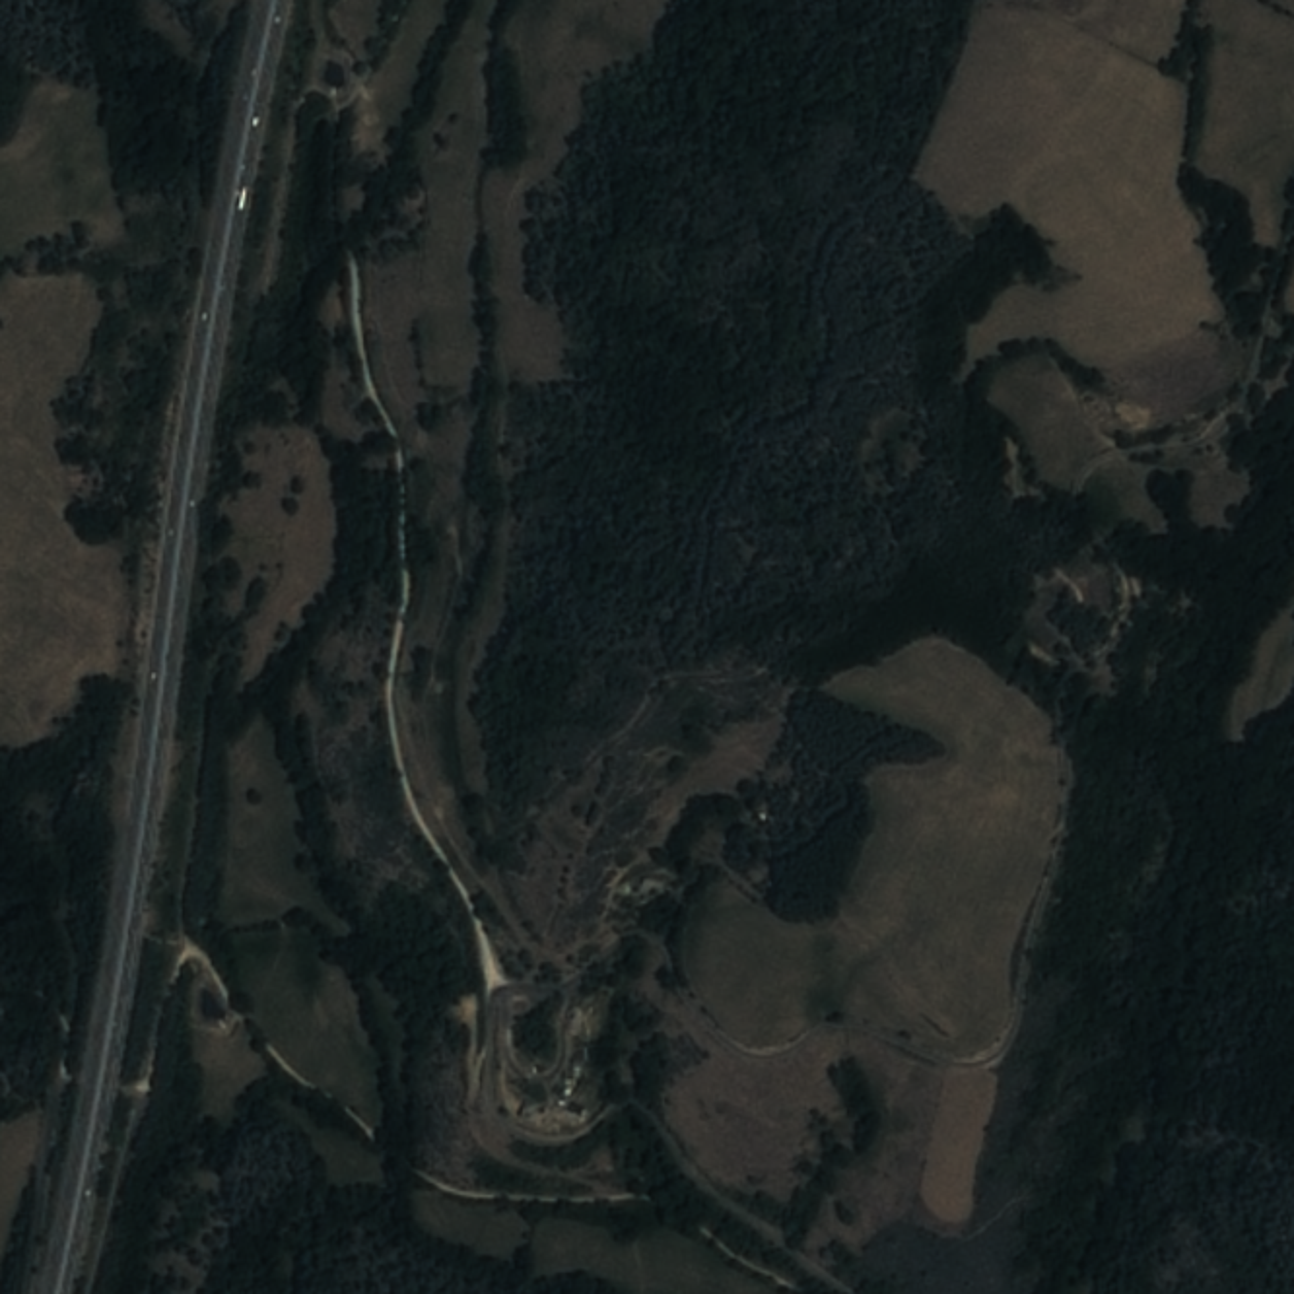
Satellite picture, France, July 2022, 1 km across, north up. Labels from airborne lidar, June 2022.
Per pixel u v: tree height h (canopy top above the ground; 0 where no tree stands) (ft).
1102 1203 34
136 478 34
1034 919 0
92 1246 0
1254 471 51
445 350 0
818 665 28
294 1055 0
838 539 56
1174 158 0
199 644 34
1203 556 86
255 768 0
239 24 34
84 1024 37
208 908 49
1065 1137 22
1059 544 34
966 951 0
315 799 48
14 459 0
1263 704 0
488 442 29
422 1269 35
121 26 61
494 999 0
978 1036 0
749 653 23
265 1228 48
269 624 0
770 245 21
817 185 0
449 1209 0
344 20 0
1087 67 0
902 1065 0
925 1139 0
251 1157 52
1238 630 87
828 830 66
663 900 44
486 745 31
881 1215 0
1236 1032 42
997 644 32
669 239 27
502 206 0
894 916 0
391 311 0
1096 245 0
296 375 59
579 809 27
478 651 0
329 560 0
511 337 0
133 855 0
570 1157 21
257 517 0
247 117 0
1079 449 0
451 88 0
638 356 42
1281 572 77
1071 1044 21
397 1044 0
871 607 35
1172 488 75
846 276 51
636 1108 29
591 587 38
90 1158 0
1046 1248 22
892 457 43
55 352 0
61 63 66
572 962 28
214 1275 47
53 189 0
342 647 0
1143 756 87
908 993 0
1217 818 61
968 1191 0
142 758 0
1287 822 38
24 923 70
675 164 29
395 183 61
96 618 0
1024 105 0
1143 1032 75
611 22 0
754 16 25
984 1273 0
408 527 29
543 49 0
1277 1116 58
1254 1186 49
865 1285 31
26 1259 39
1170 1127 45
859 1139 50
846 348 54
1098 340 0
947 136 0
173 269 25
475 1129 0
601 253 37
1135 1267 30
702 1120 0
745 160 39
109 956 0
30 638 0
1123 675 41
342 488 60
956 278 53
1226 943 29
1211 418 27
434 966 31
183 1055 40
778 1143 0
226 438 29
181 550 0
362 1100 0
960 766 0
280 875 0
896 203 36
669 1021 0
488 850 43
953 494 44
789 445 48
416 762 0
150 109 67
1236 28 0
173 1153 42
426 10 0
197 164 27
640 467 23
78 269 38
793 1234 32
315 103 48
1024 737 0
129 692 38
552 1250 0
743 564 52
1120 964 19
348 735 0
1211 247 41
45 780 19
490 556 42
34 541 0
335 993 0
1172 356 0
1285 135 0
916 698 0
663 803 0
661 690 31
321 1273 36
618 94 31
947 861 0
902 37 22
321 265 45
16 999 56
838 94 30
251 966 0
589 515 35
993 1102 0
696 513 40
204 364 0
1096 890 39
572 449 32
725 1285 0
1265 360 34
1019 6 0
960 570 51
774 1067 0
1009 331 0
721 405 23
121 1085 24
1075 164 0
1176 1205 39
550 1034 23
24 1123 0
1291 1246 56
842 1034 0
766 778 33
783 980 0
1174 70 50
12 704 0
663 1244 0
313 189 33
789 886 73
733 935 0
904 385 57
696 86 66
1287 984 66
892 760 53
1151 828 39
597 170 53
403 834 0
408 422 0
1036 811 0
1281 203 0
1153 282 0
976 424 53
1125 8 0
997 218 39
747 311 29
